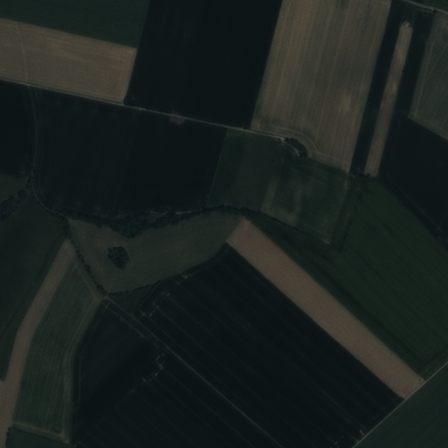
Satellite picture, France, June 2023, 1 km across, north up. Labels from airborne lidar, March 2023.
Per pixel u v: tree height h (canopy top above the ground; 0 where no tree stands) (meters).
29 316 0
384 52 0
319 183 0
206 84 0
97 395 0
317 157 0
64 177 0
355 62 0
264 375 0
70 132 0
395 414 0
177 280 0
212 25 0
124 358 0
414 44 0
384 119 0
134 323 0
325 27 0
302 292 0
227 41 0
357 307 0
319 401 0
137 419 0
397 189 0
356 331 0
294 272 0
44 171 0
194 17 0
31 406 0
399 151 0
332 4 0
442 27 0
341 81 0
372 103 0
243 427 0
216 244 0
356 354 0
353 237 0
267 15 0
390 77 0
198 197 0
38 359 0
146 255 0
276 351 0
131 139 0
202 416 0
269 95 0
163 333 0
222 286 0
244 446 0
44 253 0
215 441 0
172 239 0
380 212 0
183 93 0
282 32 0
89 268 9
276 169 0
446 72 0
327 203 0
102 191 0
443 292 0
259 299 0
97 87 0
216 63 0
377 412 0
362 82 0
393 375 0
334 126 0
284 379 0
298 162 0
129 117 0
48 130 0
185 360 0
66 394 0
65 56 0
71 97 0
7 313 0
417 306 0
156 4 0
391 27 0
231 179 0
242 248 0
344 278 0
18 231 0
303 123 0
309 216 0
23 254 0
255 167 0
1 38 0
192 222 0
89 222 10
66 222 10
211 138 0
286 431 0
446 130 0
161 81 0
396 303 0
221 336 0
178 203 0
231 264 0
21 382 0
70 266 0
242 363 0
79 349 0
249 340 0
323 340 0
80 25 0
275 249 0
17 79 0
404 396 0
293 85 0
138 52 0
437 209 0
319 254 0
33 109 0
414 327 0
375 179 6
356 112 0
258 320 0
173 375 0
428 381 0
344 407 0
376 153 0
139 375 0
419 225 0
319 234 0
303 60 0
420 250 0
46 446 0
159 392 0
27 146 0
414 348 0
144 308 0
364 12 0
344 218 0
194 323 0
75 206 0
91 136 0
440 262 0
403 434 0
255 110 0
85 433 0
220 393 0
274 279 0
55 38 0
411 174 0
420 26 0
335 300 0
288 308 0
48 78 0
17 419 0
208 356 0
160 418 0
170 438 0
